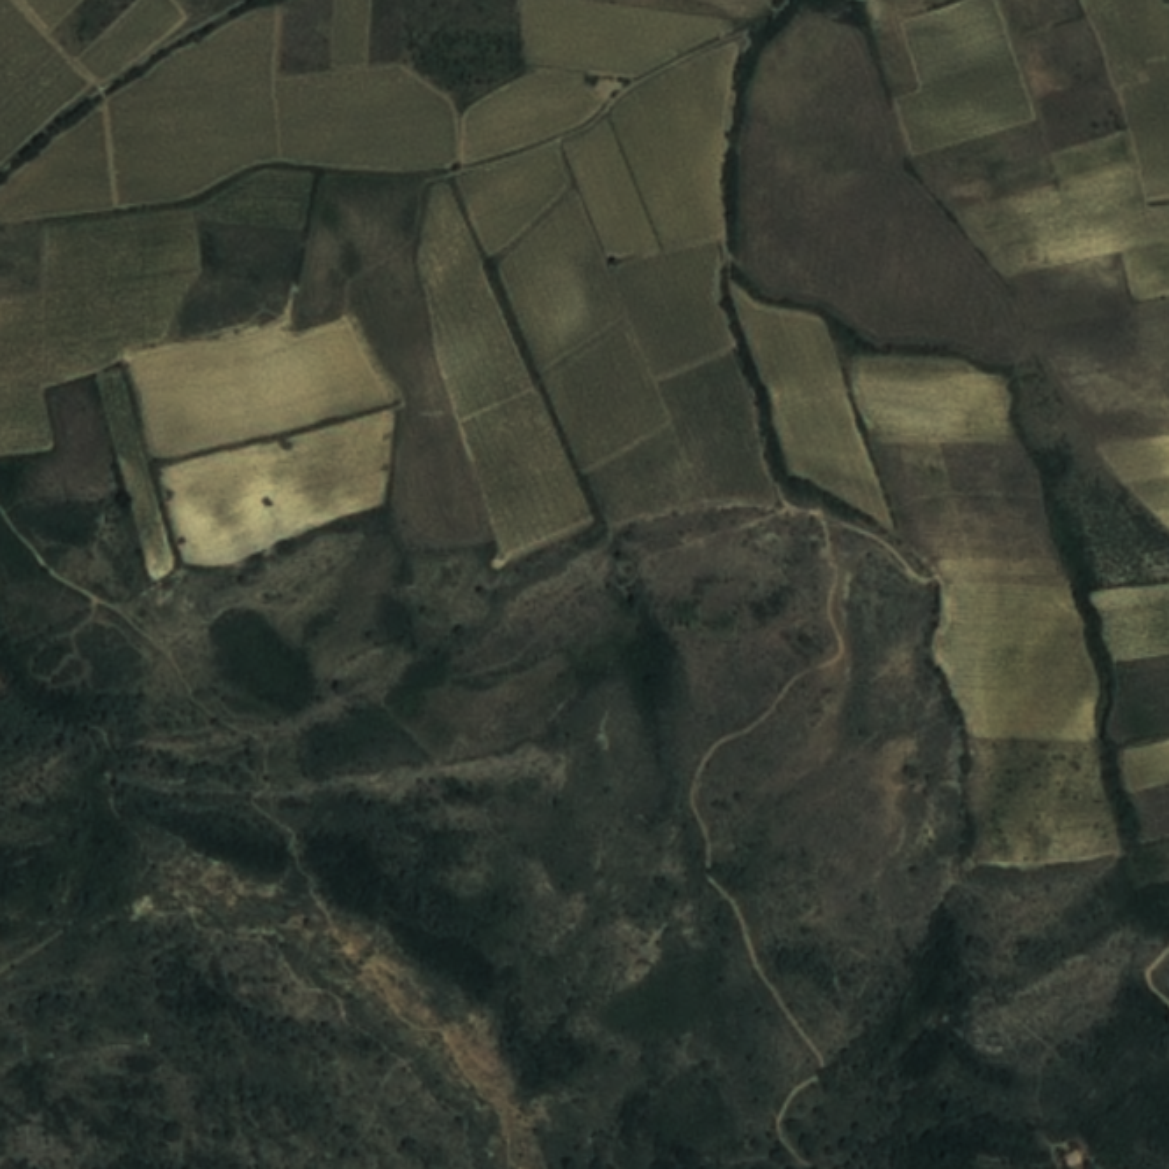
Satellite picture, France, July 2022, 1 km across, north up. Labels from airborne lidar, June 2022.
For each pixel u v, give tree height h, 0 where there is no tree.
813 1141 10
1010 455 0
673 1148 7
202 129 0
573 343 0
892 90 0
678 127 0
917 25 0
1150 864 0
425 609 7
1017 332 0
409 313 0
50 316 0
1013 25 0
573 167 0
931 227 0
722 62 0
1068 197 0
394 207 0
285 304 0
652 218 0
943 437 0
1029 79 0
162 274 0
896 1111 9
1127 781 0
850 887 0
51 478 0
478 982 6
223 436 0
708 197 0
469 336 0
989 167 0
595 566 0
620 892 0
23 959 0
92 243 0
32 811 14
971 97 0
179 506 0
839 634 0
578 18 0
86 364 0
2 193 0
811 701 0
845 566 0
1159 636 0
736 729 0
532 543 0
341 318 0
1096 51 0
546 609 0
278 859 6
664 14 0
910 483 0
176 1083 0
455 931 6
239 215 0
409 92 0
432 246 0
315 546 0
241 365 0
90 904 13
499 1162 0
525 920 0
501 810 0
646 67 0
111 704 9
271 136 0
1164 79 0
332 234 0
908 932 0
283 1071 0
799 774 0
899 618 0
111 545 0
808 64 0
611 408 0
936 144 0
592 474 0
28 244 0
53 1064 0
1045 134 0
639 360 0
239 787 8
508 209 0
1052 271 0
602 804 0
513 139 0
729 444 0
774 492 0
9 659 7
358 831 5
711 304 0
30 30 0
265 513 0
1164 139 0
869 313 0
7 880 6
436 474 0
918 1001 7
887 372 0
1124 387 0
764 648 0
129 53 0
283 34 0
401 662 0
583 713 0
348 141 0
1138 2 0
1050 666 0
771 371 0
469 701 0
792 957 9
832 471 0
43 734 14
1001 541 0
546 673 0
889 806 0
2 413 0
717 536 0
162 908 0
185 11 0
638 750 0
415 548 0
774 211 0
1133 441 0
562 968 0
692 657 0
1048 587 0
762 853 0
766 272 0
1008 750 0
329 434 0
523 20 0
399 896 6
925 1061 9
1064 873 0
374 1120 0
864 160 0
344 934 0
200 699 0
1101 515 0
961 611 0
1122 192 0
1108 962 0
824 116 0
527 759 0
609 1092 0
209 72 0
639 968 0
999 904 0
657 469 0
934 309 0
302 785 0
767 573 0
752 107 0
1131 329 0
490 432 0
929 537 0
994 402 0
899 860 0
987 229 0
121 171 0
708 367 0
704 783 0
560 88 0
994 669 0
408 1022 0
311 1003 0
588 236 0
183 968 6
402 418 0
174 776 7
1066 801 0
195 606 0
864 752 0
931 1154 7
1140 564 0
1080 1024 0
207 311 0
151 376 0
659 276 0
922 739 0
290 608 0
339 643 0
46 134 14
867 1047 6
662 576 0
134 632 0
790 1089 0
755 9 0
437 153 0
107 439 0
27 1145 0
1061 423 0
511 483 0
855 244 0
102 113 0
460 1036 0
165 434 0
